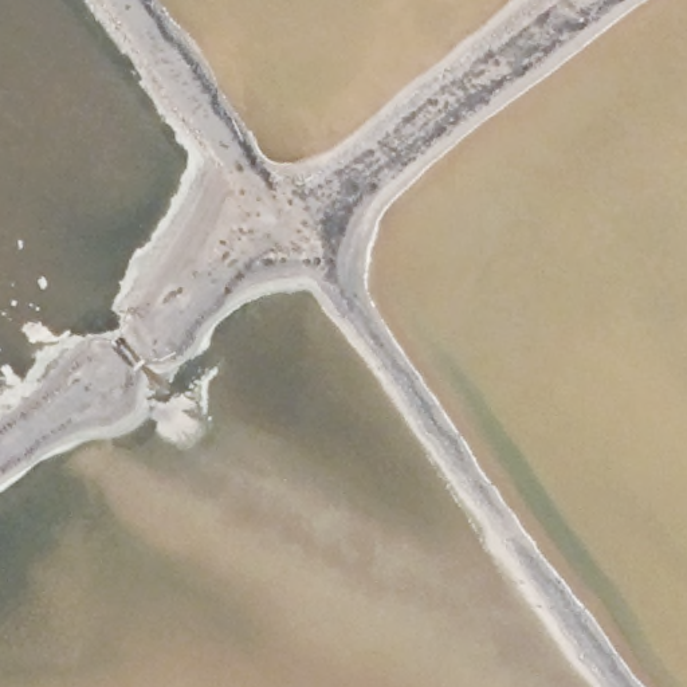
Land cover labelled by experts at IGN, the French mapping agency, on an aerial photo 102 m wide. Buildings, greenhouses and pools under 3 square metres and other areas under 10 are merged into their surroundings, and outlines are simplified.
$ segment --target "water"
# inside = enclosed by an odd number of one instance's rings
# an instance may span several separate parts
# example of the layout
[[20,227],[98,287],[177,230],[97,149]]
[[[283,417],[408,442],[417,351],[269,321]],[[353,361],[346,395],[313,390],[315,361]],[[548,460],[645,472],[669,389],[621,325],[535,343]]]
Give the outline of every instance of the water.
[[427,72],[432,64],[437,64],[448,51],[454,51],[475,30],[480,30],[510,0],[161,0],[204,48],[204,56],[209,59],[209,67],[217,75],[215,83],[217,97],[228,97],[233,110],[239,110],[239,115],[247,121],[252,131],[263,153],[282,164],[306,161],[335,148],[341,140],[354,134],[368,118],[373,118],[403,86]]
[[604,631],[612,636],[620,655],[639,674],[639,682],[633,687],[687,687],[687,0],[647,0],[623,21],[617,21],[609,32],[593,40],[585,51],[569,59],[561,70],[545,78],[539,86],[534,86],[521,99],[515,99],[502,113],[478,126],[445,158],[440,158],[413,188],[408,188],[386,209],[381,220],[370,266],[370,293],[378,303],[381,317],[386,319],[397,341],[405,346],[413,365],[424,373],[427,384],[435,389],[456,427],[464,432],[475,456],[480,459],[488,478],[499,486],[507,505],[521,515],[523,526],[534,534],[542,553],[569,580],[577,596],[590,606]]
[[156,373],[153,368],[142,368],[153,400],[169,403],[172,397],[188,392],[193,381],[204,376],[204,370],[217,368],[217,378],[209,384],[212,424],[204,435],[193,435],[185,443],[172,443],[158,435],[156,421],[142,421],[129,435],[86,440],[54,459],[35,464],[21,480],[16,480],[0,494],[0,687],[588,687],[569,666],[558,644],[550,639],[542,620],[531,612],[526,598],[515,590],[513,580],[486,550],[480,526],[456,502],[445,478],[429,462],[421,443],[413,437],[392,400],[386,397],[386,392],[381,389],[378,378],[349,346],[341,330],[325,317],[317,298],[306,290],[274,293],[239,306],[215,327],[209,349],[196,360],[185,362],[174,373],[174,378]]
[[148,91],[140,86],[140,75],[131,59],[121,54],[121,48],[94,19],[83,0],[0,0],[0,389],[3,365],[11,365],[16,376],[27,376],[27,370],[35,362],[32,341],[24,335],[24,325],[40,322],[51,333],[72,335],[107,333],[118,327],[113,301],[118,295],[121,279],[129,268],[134,250],[150,239],[153,228],[169,209],[169,201],[177,193],[180,177],[188,164],[185,148],[177,142],[172,126],[158,115]]

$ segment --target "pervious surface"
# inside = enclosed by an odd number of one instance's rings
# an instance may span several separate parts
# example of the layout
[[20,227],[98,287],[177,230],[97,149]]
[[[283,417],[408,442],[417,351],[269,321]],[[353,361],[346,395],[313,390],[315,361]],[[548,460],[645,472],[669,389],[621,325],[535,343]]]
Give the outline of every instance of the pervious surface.
[[[196,360],[209,349],[215,327],[239,306],[274,293],[306,290],[317,298],[325,317],[341,330],[349,346],[378,378],[381,389],[386,392],[386,397],[392,400],[413,437],[421,443],[429,462],[445,478],[456,502],[480,526],[486,550],[513,580],[515,590],[526,598],[531,612],[542,620],[550,639],[558,644],[569,666],[588,687],[633,687],[639,682],[639,674],[620,655],[612,636],[604,631],[590,606],[577,596],[569,580],[542,553],[534,534],[523,526],[521,515],[507,505],[499,486],[488,478],[480,459],[475,456],[464,432],[456,427],[435,389],[427,384],[424,373],[413,365],[405,346],[397,341],[386,319],[381,317],[378,303],[370,293],[370,266],[381,220],[386,209],[408,188],[413,188],[440,158],[445,158],[478,126],[502,113],[515,99],[521,99],[534,86],[539,86],[545,78],[561,70],[569,59],[585,51],[593,40],[609,32],[617,21],[623,21],[647,0],[623,0],[588,30],[577,32],[561,48],[556,48],[539,67],[529,70],[515,83],[496,91],[488,105],[472,110],[459,126],[443,134],[437,142],[432,142],[424,153],[419,153],[416,161],[411,161],[405,169],[392,169],[381,174],[378,191],[352,215],[349,228],[341,239],[338,279],[325,282],[322,236],[314,228],[295,233],[295,228],[303,220],[301,201],[306,199],[306,188],[322,182],[357,153],[378,145],[384,134],[389,134],[397,126],[397,121],[403,121],[403,115],[408,115],[424,99],[429,99],[443,83],[462,78],[462,72],[470,70],[472,59],[507,43],[515,32],[521,32],[539,13],[545,13],[561,0],[510,0],[480,30],[475,30],[454,51],[448,51],[437,64],[432,64],[427,72],[403,86],[373,118],[368,118],[354,134],[341,140],[335,148],[306,161],[282,164],[263,153],[252,131],[247,134],[247,142],[252,145],[258,161],[271,172],[276,188],[266,191],[263,180],[252,169],[236,172],[236,158],[242,156],[239,145],[231,140],[228,129],[215,118],[207,94],[193,81],[188,64],[180,59],[174,48],[169,48],[161,40],[156,24],[142,11],[140,0],[83,0],[94,19],[121,48],[121,54],[131,59],[140,75],[140,86],[148,91],[158,115],[172,126],[177,142],[185,148],[188,164],[180,177],[177,193],[169,201],[169,209],[153,228],[150,239],[134,250],[129,268],[121,279],[118,295],[113,301],[118,327],[107,333],[72,335],[51,333],[40,322],[24,325],[24,335],[32,341],[35,362],[27,370],[27,376],[16,376],[11,365],[3,365],[0,389],[0,494],[16,480],[21,480],[35,464],[54,459],[86,440],[129,435],[142,421],[156,421],[158,435],[172,443],[185,443],[193,435],[204,435],[212,424],[209,384],[217,378],[217,368],[204,370],[204,376],[193,381],[188,392],[172,397],[169,403],[153,400],[142,368],[153,368],[156,373],[174,378],[174,373],[185,362]],[[252,260],[252,276],[242,282],[242,287],[231,298],[225,298],[220,290],[242,268],[244,260]]]
[[204,56],[204,48],[161,0],[153,0],[166,27],[193,51],[193,56],[201,62],[204,72],[215,83],[217,75],[209,67],[209,59]]

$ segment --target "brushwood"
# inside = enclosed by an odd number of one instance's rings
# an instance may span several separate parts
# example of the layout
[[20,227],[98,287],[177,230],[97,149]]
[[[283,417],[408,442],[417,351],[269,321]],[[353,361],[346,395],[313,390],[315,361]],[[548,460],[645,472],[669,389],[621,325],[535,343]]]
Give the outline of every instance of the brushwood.
[[349,228],[352,215],[378,191],[381,174],[392,169],[405,169],[411,161],[416,161],[419,153],[424,153],[432,142],[437,142],[443,134],[459,126],[472,110],[488,105],[496,91],[515,83],[529,70],[539,67],[556,48],[561,48],[577,32],[588,30],[623,0],[561,0],[545,13],[539,13],[521,32],[515,32],[507,43],[472,59],[470,70],[462,72],[462,78],[443,83],[429,99],[424,99],[408,115],[403,115],[403,121],[397,121],[397,126],[389,134],[384,134],[378,145],[357,153],[322,182],[306,188],[306,199],[301,201],[303,220],[295,228],[295,233],[314,228],[322,236],[325,282],[338,279],[341,239]]
[[252,276],[252,260],[244,260],[242,268],[220,290],[225,298],[231,298],[242,287],[242,282]]
[[193,56],[193,51],[166,27],[153,0],[140,0],[142,11],[156,24],[161,40],[169,48],[174,48],[180,59],[188,64],[193,81],[207,94],[215,118],[228,129],[231,140],[239,145],[242,156],[236,158],[236,172],[252,169],[263,180],[266,191],[276,188],[271,172],[258,161],[252,145],[247,142],[247,134],[252,131],[247,121],[239,115],[239,110],[233,110],[228,97],[217,97],[215,83],[204,72],[201,62]]

